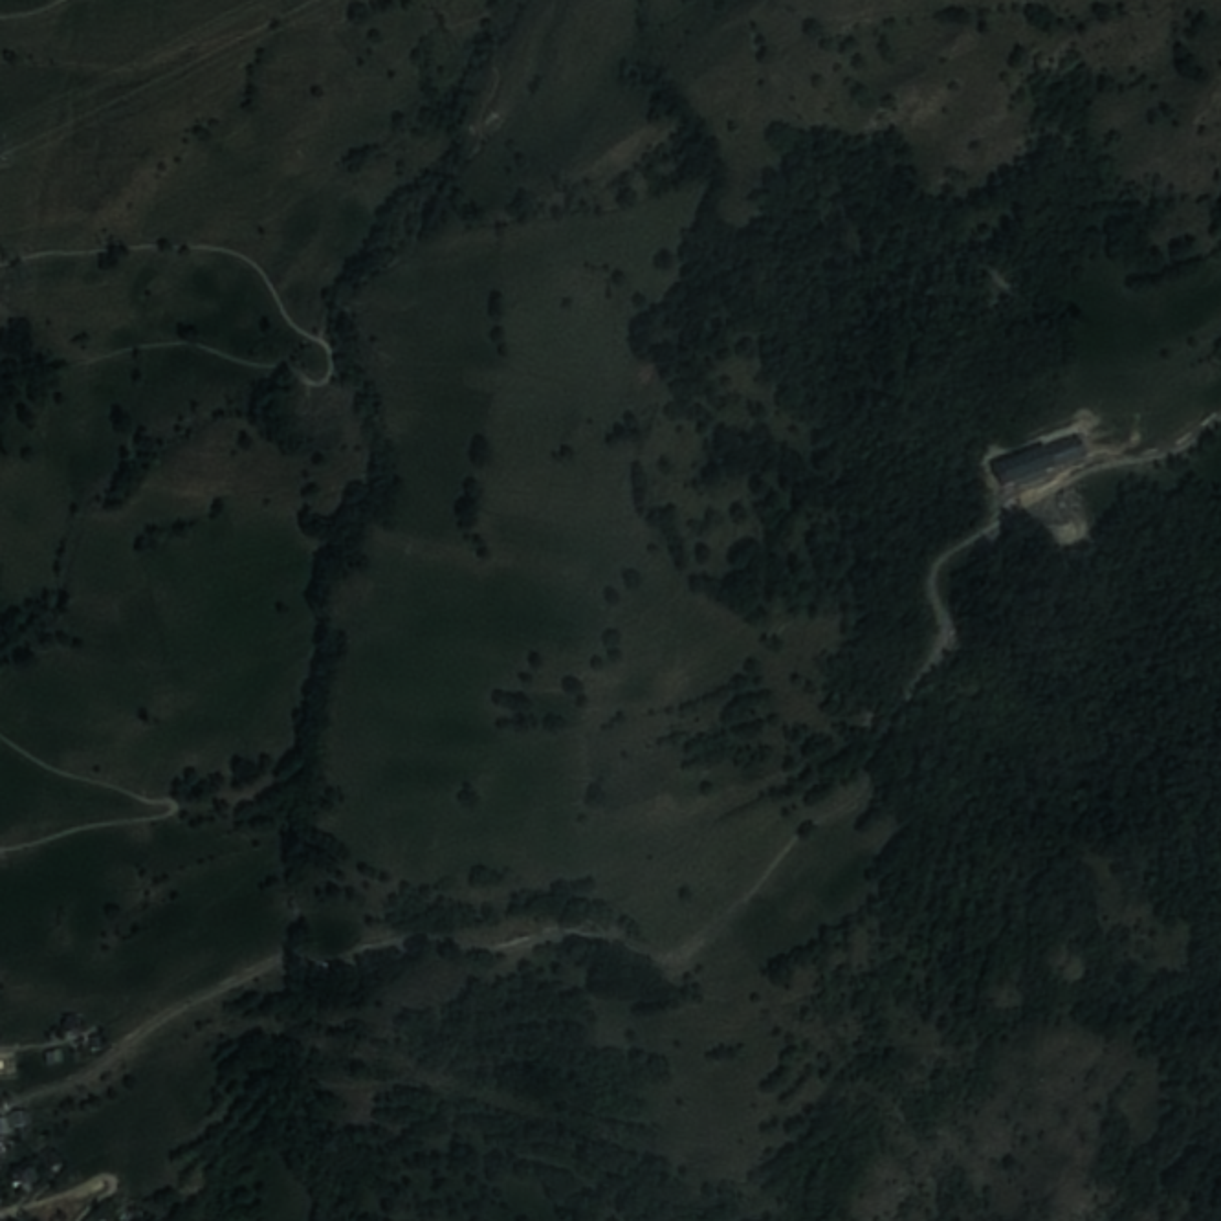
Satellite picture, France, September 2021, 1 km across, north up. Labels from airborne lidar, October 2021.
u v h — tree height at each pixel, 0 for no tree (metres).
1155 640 21
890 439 21
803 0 0
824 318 22
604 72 0
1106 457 0
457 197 15
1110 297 0
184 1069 0
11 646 10
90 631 0
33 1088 0
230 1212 16
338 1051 11
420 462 0
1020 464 0
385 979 19
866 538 21
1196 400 0
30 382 15
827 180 17
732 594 16
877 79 0
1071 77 9
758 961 0
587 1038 12
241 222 0
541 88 8
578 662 0
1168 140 0
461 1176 16
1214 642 19
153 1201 7
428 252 0
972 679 9
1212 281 0
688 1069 0
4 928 0
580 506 0
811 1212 16
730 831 0
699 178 15
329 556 12
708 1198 13
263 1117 13
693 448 0
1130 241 20
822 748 16
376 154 7
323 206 0
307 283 0
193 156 0
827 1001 12
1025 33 0
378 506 19
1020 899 20
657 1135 8
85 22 0
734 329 14
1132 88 8
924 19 0
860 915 8
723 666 0
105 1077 8
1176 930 15
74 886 0
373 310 0
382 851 0
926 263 19
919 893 20
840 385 20
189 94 0
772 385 13
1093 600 26
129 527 0
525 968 12
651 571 0
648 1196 15
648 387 0
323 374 0
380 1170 14
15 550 0
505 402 0
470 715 0
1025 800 22
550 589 0
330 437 7
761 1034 0
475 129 0
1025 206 21
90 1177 0
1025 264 20
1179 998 17
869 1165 7
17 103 0
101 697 0
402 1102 15
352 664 0
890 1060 12
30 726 0
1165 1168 16
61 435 0
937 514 23
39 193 0
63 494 0
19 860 0
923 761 27
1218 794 18
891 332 20
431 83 8
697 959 0
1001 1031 10
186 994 0
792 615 9
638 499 11
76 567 0
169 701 0
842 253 16
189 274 0
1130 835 20
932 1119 10
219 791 9
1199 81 11
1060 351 26
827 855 0
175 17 0
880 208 18
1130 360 0
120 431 15
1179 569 25
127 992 0
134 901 0
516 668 0
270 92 0
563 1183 17
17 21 0
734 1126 0
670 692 0
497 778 0
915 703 9
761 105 0
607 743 0
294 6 0
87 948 0
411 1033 13
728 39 0
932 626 19
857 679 15
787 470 17
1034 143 9
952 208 13
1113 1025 13
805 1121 10
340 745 0
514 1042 18
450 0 0
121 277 0
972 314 22
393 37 0
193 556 0
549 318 0
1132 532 21
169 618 0
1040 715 23
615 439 8
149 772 0
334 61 0
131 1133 0
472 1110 15
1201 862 20
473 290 0
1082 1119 0
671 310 12
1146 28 0
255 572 0
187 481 0
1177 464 14
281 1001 15
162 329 0
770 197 15
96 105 0
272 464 0
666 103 13
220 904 0
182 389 0
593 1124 8
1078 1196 0
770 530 14
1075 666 18
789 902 0
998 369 28
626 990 21
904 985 16
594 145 0
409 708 0
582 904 8
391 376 0
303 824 16
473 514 15
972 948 9
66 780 0
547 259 0
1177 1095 9
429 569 0
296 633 0
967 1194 12
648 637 0
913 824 22
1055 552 20
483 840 0
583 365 0
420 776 0
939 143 0
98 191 0
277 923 0
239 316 0
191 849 0
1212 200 9
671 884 0
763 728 13
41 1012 0
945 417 24
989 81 0
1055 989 12
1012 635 29
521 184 0
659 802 0
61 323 0
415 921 10
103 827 0
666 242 0
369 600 0
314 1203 11
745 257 17
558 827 0
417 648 0
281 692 0
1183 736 17
